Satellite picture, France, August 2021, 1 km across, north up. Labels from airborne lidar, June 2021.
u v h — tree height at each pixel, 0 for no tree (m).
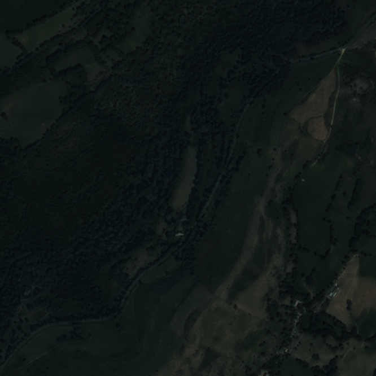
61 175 17
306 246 0
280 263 0
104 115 28
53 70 16
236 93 0
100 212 22
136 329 0
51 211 19
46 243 22
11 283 8
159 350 0
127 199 28
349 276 0
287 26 16
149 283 0
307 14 24
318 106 0
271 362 9
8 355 9
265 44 22
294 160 0
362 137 0
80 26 10
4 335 6
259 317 0
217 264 0
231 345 0
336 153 0
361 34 0
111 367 0
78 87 12
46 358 0
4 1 0
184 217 0
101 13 15
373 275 0
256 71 15
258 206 0
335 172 0
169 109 15
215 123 10
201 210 12
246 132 0
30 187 18
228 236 0
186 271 7
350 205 16
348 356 0
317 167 0
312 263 0
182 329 0
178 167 21
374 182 0
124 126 26
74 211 18
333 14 14
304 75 0
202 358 0
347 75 9
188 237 14
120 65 20
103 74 10
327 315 12
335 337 14
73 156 14
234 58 0
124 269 0
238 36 9
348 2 0
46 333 0
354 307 0
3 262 22
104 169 16
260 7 12
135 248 20
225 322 0
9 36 7
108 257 9
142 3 15
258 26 11
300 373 0
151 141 18
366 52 6
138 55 13
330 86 0
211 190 9
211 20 22
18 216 18
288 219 9
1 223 17
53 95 0
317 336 9
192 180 0
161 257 6
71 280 15
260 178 0
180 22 23
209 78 10
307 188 0
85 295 17
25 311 0
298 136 0
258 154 9
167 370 0
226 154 13
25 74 14
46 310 12
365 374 0
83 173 20
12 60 0
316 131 0
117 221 27
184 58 22
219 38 8
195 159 0
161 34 18
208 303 0
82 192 14
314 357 14
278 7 13
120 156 15
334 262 0
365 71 9
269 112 0
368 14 0
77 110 12
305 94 0
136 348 0
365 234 12
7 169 17
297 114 0
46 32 0
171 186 17
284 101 0
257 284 0
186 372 0
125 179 20
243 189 0
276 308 24
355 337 14
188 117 0
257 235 0
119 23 12
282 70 15
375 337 10
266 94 11
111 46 16
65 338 14
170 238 13
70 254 23
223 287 0
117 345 0
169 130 15
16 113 0
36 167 12
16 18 0
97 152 16
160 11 12
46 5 0
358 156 10
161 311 0
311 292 0
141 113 20
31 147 11
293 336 7
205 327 0
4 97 8
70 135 11
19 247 13
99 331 0
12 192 16
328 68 0
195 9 23
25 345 0
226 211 0
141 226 0
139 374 0
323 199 0
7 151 14
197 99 0
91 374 0
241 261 0
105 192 21
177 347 0
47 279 20
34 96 0
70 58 0
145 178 16
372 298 0
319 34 10
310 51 0
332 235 10
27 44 0
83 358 0
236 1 9
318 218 0
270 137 0
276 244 0
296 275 12
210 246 0
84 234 22
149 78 17
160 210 19
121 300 11
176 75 18
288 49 15
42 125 0
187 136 15
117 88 14
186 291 0
